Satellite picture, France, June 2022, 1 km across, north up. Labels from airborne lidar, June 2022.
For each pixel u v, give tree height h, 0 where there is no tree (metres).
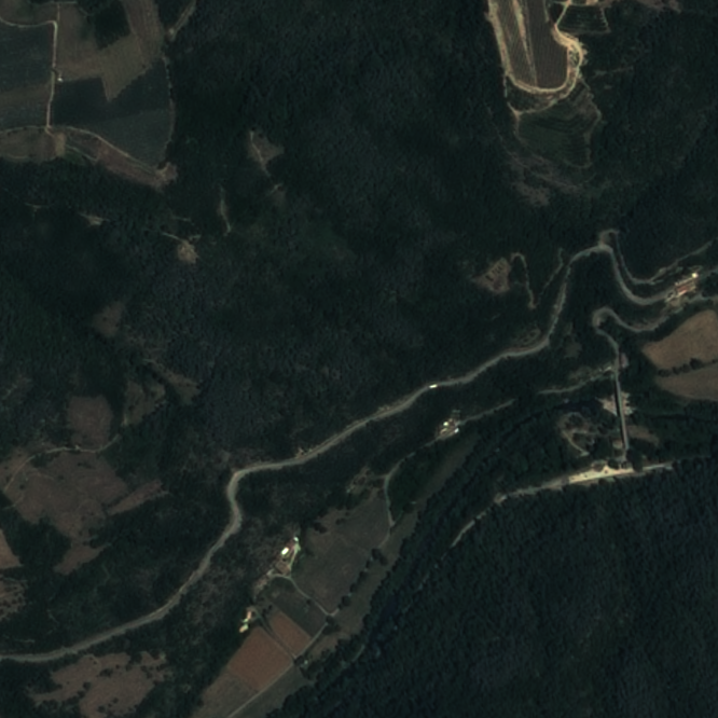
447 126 10
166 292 12
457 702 15
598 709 13
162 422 18
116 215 8
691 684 11
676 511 17
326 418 17
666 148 9
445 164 14
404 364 8
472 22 11
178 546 14
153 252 6
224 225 7
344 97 12
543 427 11
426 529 24
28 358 12
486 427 16
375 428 12
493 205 12
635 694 10
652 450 22
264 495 7
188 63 6
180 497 7
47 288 18
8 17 0
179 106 8
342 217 11
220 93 6
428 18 12
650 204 11
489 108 8
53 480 0
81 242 8
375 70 13
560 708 10
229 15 9
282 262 12
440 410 6
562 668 10
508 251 11
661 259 13
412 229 6
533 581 7
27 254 10
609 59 12
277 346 11
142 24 0
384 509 0
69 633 9
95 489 0
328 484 10
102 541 10
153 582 6
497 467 16
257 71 9
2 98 0
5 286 16
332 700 18
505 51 0
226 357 10
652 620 11
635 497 13
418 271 12
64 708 8
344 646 13
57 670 10
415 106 13
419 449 11
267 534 6
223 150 10
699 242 15
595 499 9
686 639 6
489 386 12
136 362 19
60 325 14
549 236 12
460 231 11
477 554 16
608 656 6
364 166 14
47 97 0
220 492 6
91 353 12
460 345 11
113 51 0
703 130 7
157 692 9
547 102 0
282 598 0
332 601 0
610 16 8
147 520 11
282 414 15
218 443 9
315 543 0
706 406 8
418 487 9
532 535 14
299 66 19
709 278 9
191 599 8
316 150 13
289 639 0
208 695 0
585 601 12
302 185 9
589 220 9
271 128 12
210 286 9
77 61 0
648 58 8
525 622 17
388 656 21
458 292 13
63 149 0
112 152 0
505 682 15
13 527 8
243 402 11
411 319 10
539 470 7
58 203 10
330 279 12
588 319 10
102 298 12
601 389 17
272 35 7
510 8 0
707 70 14
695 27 10
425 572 11
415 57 12
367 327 10
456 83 20
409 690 10
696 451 14
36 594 8
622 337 23
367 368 10
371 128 11
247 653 0
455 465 0
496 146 6
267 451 7
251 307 8
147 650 9
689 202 11
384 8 10
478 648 15
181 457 8
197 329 10
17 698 13
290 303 8
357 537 0
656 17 11
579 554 20
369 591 0
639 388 19
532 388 15
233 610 9
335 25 10
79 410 0
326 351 10
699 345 0
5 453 6
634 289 10
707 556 11
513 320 11
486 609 17
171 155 8
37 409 11
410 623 20
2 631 7
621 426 10
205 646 10
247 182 8
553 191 7
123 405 11
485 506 9
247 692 0
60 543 6
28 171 12
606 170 11
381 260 12
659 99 6
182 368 13
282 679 0
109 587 9
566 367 15
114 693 0
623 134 11
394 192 14
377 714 13
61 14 0
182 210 6
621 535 11
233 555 8
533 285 9
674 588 16
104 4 11
